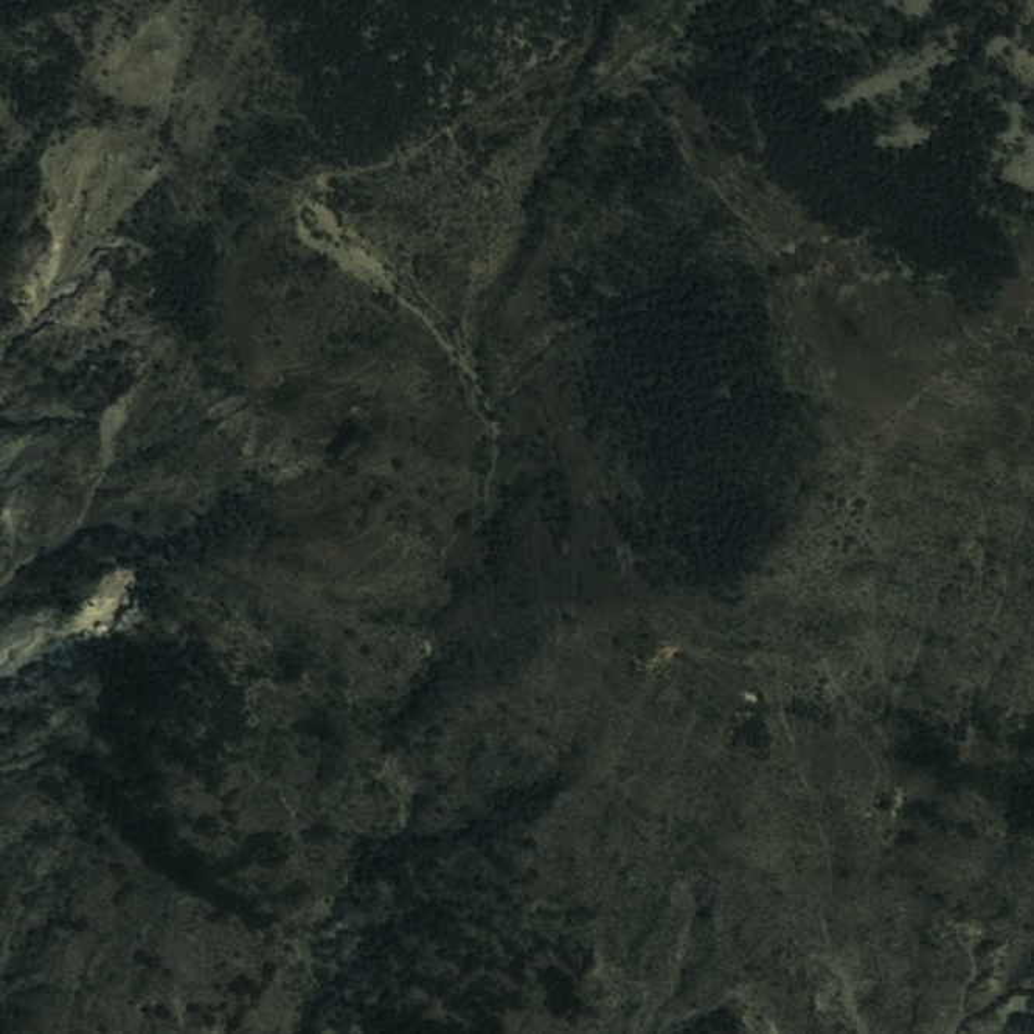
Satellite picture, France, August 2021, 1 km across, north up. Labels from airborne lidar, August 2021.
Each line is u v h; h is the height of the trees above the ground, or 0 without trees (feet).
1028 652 0
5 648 0
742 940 21
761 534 25
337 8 39
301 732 25
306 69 43
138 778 35
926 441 0
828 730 24
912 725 32
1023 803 34
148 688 52
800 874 25
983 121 41
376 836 20
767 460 21
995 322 0
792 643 0
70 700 26
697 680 0
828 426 0
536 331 0
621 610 0
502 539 23
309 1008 47
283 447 0
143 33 0
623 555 0
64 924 20
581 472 0
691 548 34
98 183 0
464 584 33
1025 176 0
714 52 32
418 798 30
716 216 23
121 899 24
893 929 24
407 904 37
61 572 23
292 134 19
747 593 0
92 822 27
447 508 0
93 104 20
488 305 0
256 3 22
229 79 0
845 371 0
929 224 41
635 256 18
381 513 0
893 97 0
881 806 30
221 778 23
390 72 38
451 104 24
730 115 27
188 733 30
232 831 25
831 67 23
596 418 21
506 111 26
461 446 0
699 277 29
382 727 21
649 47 0
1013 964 0
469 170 28
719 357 39
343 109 28
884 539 0
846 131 34
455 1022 23
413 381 0
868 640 0
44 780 24
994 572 29
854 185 39
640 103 34
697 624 0
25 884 22
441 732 27
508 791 26
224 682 34
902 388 0
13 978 29
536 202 19
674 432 34
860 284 0
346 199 20
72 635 0
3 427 28
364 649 21
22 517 0
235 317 0
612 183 33
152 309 28
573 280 24
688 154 0
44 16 20
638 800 0
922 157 22
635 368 24
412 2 33
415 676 33
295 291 20
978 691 19
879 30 30
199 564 27
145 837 44
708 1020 29
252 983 29
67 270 0
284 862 25
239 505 29
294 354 0
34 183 19
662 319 34
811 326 0
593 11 24
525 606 21
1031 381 0
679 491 27
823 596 0
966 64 31
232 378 21
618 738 0
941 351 0
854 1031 28
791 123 29
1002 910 25
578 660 0
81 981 21
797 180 27
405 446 0
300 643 34
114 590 0
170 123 19
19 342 31
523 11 24
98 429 28
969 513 0
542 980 28
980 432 0
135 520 33
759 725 22
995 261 20
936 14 26
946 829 26
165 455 19
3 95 35
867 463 0
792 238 0
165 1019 43
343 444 36
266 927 30
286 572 0
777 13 23
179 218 0
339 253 0
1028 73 0
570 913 28
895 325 0
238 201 28
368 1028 32
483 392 25
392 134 22
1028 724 36
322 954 19
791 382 0
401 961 23
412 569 0
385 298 25
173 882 27
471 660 23
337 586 0
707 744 0
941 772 26
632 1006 21
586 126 59
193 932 20
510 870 27
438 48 38
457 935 23
